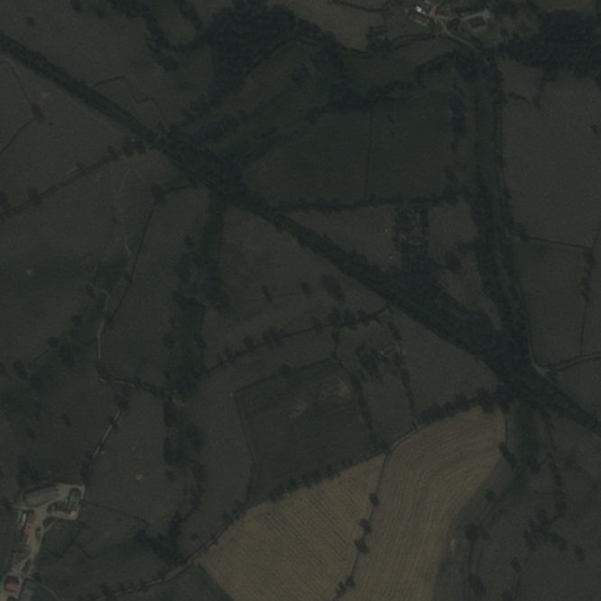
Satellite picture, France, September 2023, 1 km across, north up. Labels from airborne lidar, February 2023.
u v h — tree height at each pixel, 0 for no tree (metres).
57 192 0
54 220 0
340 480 0
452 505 0
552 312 0
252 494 0
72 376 0
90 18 0
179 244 0
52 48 0
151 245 0
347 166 0
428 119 0
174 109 0
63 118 0
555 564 0
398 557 0
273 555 0
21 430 0
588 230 0
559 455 0
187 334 0
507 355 23
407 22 0
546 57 19
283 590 0
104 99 8
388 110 0
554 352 0
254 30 24
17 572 0
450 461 0
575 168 0
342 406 0
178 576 0
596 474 0
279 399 0
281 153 0
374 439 15
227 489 0
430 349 0
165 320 0
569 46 24
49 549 0
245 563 0
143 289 0
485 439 0
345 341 0
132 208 0
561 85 0
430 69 15
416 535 0
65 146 0
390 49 19
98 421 0
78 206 0
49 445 0
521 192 0
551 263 0
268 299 17
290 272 0
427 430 0
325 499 0
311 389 0
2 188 0
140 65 0
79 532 0
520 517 0
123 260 0
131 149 15
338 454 0
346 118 0
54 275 0
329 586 0
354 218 0
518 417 0
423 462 0
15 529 0
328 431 0
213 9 0
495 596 0
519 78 0
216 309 17
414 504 0
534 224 0
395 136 0
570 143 0
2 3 0
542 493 0
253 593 0
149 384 0
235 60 7
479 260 15
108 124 0
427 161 0
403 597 0
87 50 0
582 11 0
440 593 0
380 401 0
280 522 0
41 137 0
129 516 0
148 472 0
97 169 0
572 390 0
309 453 0
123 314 0
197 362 0
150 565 0
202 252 0
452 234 0
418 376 0
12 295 0
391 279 13
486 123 0
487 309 0
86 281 0
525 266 0
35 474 13
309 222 0
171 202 0
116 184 0
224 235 0
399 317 0
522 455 0
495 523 0
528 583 0
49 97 0
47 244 0
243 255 0
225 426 0
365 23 0
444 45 0
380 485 0
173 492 0
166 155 6
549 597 0
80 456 0
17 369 17
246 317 0
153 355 0
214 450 0
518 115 0
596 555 0
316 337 0
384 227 0
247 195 11
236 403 0
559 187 0
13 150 0
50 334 0
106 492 0
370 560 0
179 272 19
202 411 0
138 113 0
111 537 0
